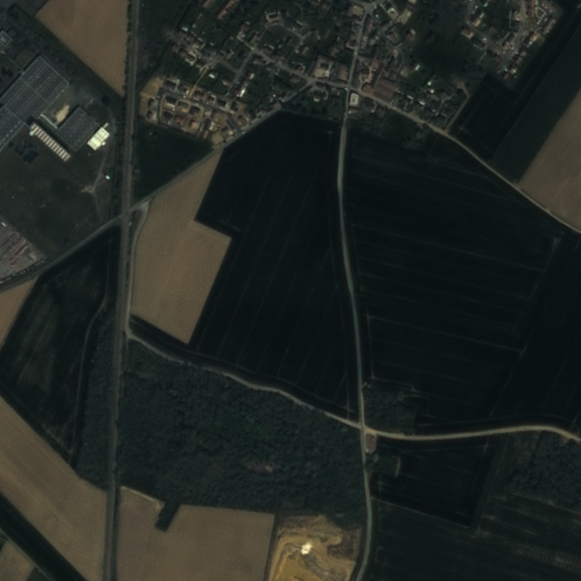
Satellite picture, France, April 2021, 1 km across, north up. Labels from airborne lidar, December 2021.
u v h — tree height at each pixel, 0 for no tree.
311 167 0
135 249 0
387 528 0
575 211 0
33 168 0
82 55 0
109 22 0
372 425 7
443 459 0
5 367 0
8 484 0
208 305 0
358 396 0
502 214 0
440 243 0
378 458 9
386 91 0
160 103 0
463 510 0
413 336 0
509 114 0
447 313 0
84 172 0
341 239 0
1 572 0
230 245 0
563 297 0
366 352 0
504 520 0
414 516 0
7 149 0
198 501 6
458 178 0
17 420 0
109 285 0
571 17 0
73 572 0
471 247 0
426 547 0
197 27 0
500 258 0
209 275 0
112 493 0
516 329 0
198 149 0
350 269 0
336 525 0
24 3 0
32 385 0
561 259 0
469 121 0
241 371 0
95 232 0
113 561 0
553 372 0
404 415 18
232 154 0
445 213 0
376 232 0
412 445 0
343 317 0
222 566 0
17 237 0
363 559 0
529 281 0
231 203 0
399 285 0
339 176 0
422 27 0
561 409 0
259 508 11
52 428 0
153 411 25
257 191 0
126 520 0
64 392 0
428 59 0
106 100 12
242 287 0
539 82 0
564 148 0
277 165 0
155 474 21
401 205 0
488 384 0
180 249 0
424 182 0
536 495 21
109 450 19
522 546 0
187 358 0
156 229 0
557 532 0
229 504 10
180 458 27
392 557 0
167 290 0
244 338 0
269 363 0
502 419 0
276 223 0
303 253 0
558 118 0
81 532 0
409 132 0
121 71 0
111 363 17
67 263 0
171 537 0
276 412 6
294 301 0
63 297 0
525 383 0
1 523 0
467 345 0
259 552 0
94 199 0
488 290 0
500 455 0
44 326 0
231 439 6
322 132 0
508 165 0
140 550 0
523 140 0
